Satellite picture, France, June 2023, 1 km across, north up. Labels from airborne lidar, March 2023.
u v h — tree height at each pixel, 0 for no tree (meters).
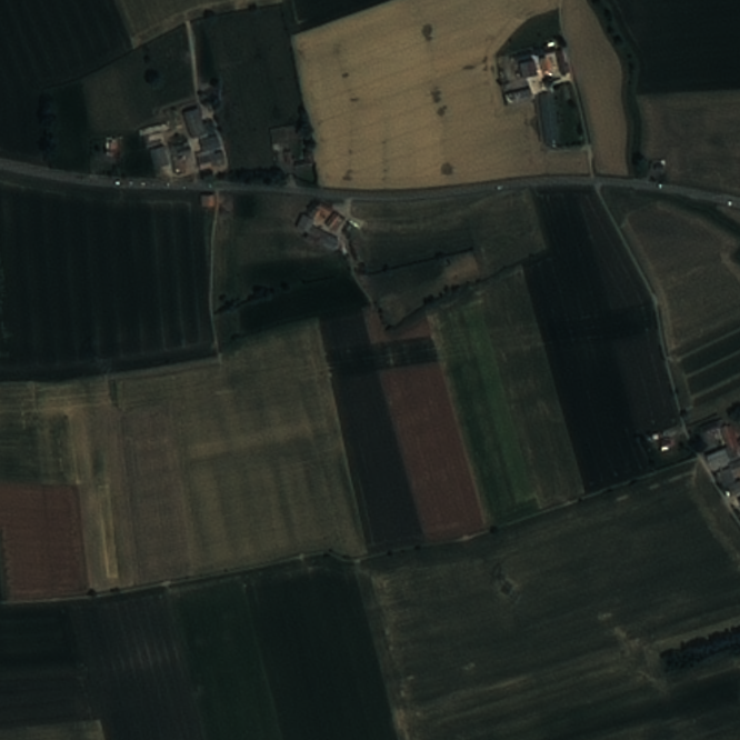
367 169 0
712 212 0
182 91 0
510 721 0
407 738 0
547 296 0
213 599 0
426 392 0
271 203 0
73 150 0
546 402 0
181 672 0
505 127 0
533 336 0
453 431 0
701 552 0
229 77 0
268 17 0
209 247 0
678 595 0
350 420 0
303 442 0
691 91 0
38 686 0
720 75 0
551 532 0
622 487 0
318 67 0
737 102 0
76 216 0
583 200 0
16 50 0
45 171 0
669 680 0
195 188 0
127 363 0
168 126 0
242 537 0
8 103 0
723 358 0
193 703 0
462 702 0
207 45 0
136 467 0
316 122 0
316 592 0
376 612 0
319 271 0
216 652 0
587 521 0
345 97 0
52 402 0
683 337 0
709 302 0
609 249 0
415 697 0
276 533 0
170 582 0
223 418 0
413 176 0
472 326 0
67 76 0
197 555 0
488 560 0
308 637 0
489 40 0
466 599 0
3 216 0
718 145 0
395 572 0
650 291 0
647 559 0
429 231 0
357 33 0
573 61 0
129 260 0
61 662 0
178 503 0
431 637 0
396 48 0
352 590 0
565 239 0
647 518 0
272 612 0
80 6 0
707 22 0
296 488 0
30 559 0
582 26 0
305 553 0
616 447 0
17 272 0
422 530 0
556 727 0
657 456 0
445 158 0
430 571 0
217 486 0
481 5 0
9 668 0
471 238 0
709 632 0
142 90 0
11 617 0
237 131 0
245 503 0
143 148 0
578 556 0
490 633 0
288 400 0
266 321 0
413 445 0
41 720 0
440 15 0
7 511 0
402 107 0
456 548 0
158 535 0
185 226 0
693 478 0
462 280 0
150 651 0
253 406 0
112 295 0
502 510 0
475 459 0
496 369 0
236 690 0
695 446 15
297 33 0
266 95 0
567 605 0
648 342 0
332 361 0
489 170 0
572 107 8
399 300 0
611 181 0
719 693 0
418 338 0
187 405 0
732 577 0
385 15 0
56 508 0
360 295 0
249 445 0
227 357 0
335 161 0
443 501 0
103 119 0
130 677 0
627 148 0
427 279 0
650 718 0
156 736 0
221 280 0
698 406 0
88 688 0
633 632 0
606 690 0
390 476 0
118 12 0
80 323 0
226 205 0
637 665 0
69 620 0
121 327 0
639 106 0
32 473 0
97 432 0
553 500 0
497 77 0
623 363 0
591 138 0
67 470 0
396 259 0
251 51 0
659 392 0
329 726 0
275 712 0
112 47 0
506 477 0
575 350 0
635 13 0
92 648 0
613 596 0
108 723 0
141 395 0
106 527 0
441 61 0
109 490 0
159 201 0
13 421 0
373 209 0
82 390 0
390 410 0
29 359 0
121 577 0
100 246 0
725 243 0
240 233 0
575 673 0
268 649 0
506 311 0
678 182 0
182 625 0
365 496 0
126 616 0
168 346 0
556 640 0
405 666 0
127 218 0
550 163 0
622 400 0
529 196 0
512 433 0
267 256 0
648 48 0
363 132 0
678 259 0
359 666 0
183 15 0
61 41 0
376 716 0
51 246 0
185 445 0
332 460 0
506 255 0
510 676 0
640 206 0
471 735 0
